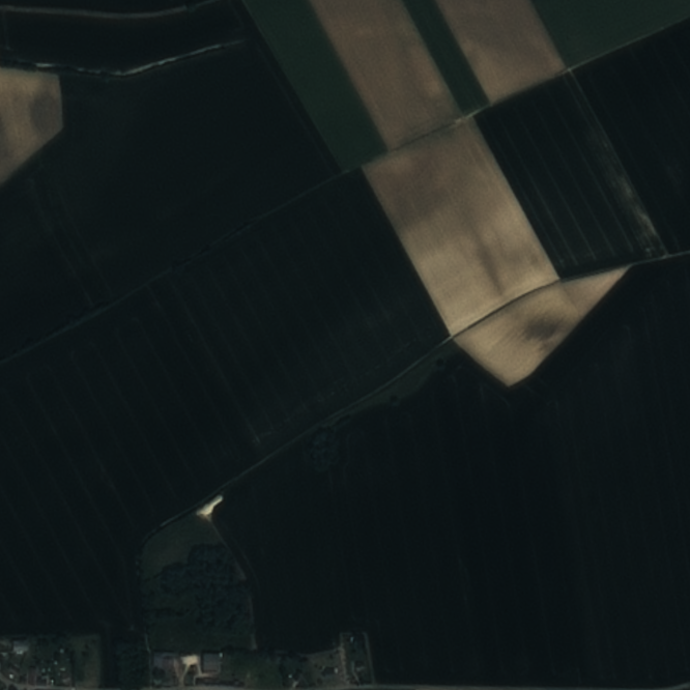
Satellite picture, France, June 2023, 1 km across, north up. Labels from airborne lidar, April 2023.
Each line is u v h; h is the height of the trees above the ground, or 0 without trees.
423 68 0
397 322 0
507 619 0
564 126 0
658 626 0
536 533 0
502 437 0
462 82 0
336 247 0
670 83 0
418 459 0
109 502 0
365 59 0
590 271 0
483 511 0
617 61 0
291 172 0
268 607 0
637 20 0
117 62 0
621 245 0
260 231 0
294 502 0
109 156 0
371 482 0
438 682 0
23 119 0
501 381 0
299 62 0
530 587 0
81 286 0
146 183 0
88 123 0
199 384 0
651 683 0
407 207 0
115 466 0
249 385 0
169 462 0
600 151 0
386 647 0
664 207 0
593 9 0
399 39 0
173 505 0
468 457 0
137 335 0
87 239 0
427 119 0
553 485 0
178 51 0
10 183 0
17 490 0
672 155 0
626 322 0
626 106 0
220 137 0
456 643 0
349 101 0
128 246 0
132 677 6
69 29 0
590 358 0
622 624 0
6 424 0
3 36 0
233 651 14
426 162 0
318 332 0
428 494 0
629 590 0
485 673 0
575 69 0
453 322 0
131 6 0
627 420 0
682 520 0
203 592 23
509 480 0
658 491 0
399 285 0
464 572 0
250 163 0
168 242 0
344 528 0
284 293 0
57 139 0
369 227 0
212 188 0
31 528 0
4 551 0
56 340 0
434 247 0
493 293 0
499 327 0
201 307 0
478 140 0
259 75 0
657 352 0
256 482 0
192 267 0
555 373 0
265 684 0
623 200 0
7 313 0
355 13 0
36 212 0
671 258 0
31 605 0
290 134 0
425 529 0
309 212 0
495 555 0
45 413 0
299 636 0
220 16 0
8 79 0
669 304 0
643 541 0
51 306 0
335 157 0
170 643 0
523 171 0
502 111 0
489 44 0
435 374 0
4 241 0
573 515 0
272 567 0
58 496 0
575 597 0
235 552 0
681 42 0
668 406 0
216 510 0
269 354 0
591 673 0
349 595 0
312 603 0
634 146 0
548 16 0
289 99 0
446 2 0
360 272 0
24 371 0
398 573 0
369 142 0
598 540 0
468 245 0
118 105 0
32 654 0
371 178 0
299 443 0
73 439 0
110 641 0
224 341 0
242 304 0
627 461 0
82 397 0
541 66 0
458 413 0
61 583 0
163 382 0
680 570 0
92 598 0
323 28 0
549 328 0
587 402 0
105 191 0
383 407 0
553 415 0
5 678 0
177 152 0
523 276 0
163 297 0
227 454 0
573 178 0
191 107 0
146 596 16
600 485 0
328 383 0
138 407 0
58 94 0
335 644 0
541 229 0
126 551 0
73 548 0
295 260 0
